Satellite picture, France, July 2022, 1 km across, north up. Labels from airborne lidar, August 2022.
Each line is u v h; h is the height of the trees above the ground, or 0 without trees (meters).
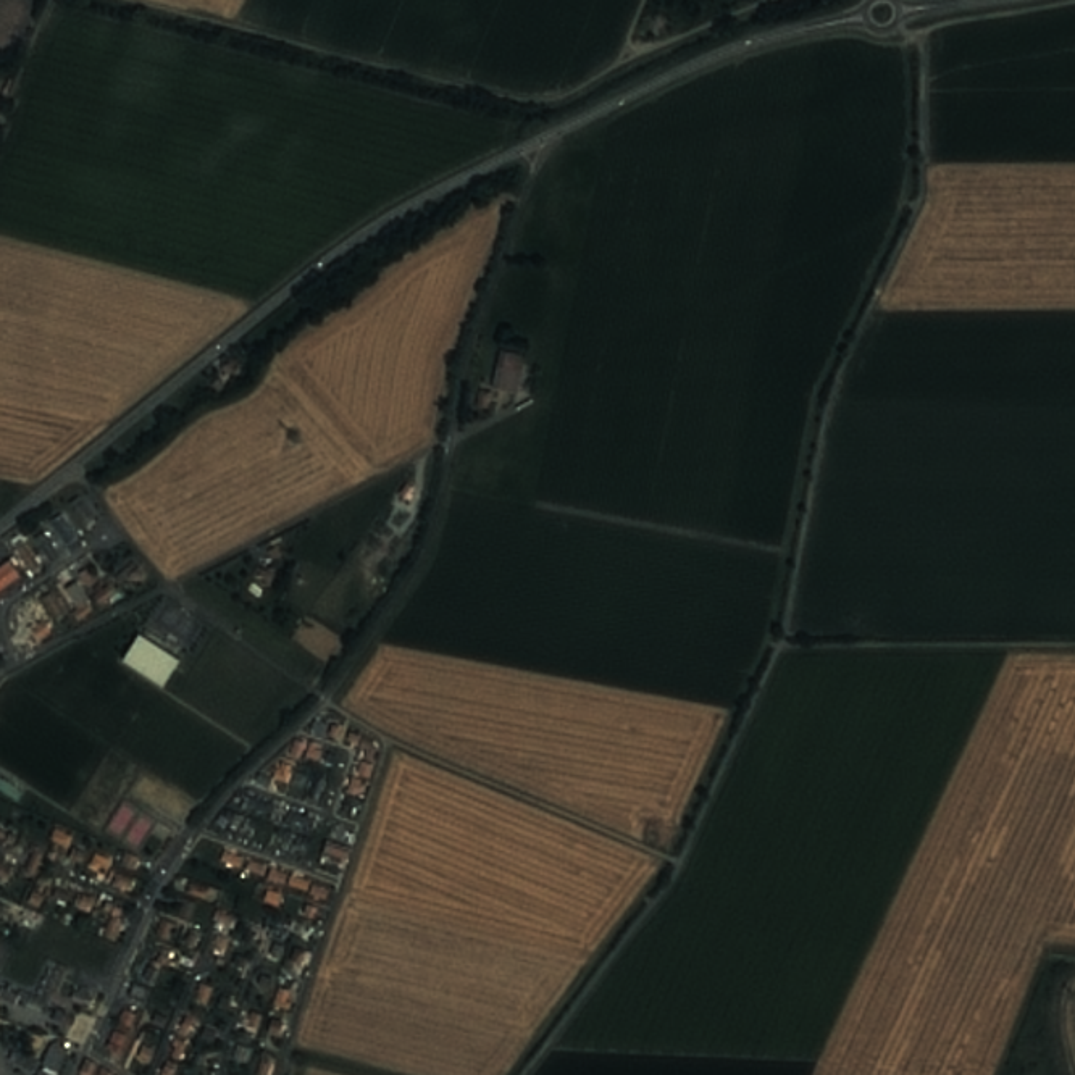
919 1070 0
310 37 0
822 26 0
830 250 0
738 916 0
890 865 0
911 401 0
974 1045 0
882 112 0
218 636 0
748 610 0
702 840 0
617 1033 0
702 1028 0
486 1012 0
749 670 0
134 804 0
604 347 0
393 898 0
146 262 0
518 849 0
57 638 0
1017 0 0
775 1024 0
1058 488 0
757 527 0
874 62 0
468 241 0
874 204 0
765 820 0
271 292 0
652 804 0
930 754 0
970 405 0
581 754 0
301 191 0
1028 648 0
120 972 0
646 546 0
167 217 0
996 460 0
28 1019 0
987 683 0
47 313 0
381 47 0
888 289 0
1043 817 0
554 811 0
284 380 0
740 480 0
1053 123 0
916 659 0
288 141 0
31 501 0
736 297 0
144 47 0
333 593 0
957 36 0
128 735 0
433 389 0
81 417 0
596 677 0
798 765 0
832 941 0
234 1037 6
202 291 0
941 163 0
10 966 0
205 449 0
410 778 0
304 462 0
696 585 0
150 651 0
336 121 0
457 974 0
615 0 0
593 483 0
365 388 0
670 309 0
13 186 0
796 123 0
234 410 0
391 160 0
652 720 0
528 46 0
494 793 0
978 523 0
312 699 6
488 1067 0
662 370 0
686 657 0
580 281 0
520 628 0
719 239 0
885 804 0
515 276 0
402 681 0
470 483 0
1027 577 0
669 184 0
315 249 0
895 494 0
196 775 0
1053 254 0
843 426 0
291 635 0
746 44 0
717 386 0
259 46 11
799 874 0
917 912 0
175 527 0
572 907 0
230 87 0
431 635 0
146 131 0
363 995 0
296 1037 0
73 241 0
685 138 0
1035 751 0
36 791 0
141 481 0
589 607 0
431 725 0
